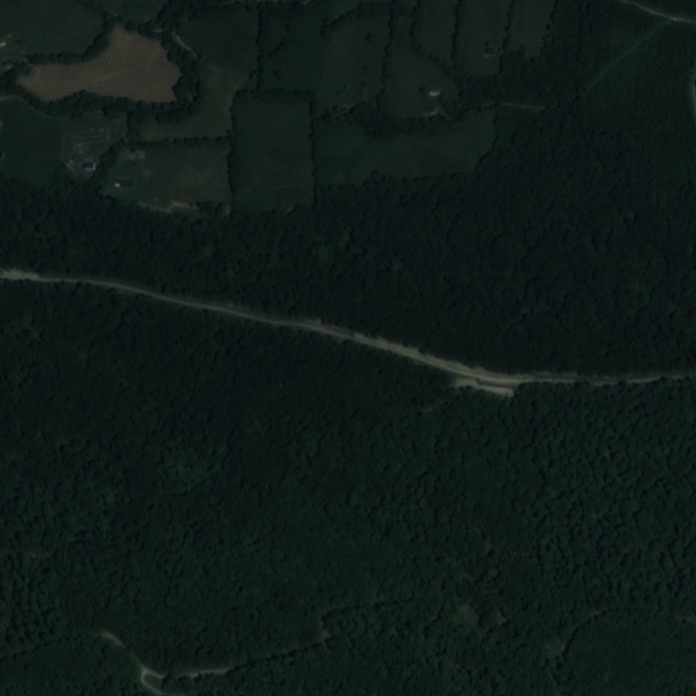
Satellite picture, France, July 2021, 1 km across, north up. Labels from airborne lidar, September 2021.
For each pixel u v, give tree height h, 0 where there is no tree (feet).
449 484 65
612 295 47
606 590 41
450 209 52
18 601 94
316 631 60
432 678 75
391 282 55
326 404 60
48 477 39
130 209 33
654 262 79
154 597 47
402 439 56
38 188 45
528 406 62
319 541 59
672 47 25
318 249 73
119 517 63
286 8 64
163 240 57
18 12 0
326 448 68
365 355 57
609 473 82
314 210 45
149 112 63
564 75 36
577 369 60
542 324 72
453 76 35
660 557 36
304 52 0
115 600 68
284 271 46
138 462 65
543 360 61
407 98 0
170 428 38
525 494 52
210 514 57
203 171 0
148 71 0
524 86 49
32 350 55
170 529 63
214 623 77
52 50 0
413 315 34
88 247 63
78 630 52
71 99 60
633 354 23
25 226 81
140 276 23
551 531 86
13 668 57
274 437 68
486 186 76
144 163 0
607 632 58
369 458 36
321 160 29
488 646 92
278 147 0
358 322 67
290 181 0
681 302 71
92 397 68
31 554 76
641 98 29
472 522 59
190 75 51
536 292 60
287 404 64
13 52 0
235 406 82
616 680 51
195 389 51
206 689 74
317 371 61
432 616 64
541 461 93
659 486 84
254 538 78
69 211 81
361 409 73
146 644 74
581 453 50
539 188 54
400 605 75
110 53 0
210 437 77
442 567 67
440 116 37
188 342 49
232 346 55
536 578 73
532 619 78
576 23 30
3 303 77
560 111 47
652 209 64
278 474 47
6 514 48
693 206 57
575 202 51
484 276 56
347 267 25
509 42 58
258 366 49
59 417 76
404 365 63
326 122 40
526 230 27
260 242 27
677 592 102
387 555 76
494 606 79
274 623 91
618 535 84
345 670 76
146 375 52
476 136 0
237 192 58
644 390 91
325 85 0
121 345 40
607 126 22
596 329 44
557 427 84
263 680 78
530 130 25
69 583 57
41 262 54
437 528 36
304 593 62
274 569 53
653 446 79
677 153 22
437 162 0
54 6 0
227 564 71
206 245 66
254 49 0
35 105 41
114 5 0
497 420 74
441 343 62
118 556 66
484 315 37
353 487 49
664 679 58
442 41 0
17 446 52
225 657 73
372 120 67
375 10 49
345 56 0
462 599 77
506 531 60
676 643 70
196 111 68
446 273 55
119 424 78
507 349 55
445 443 82
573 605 60
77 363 74
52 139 0
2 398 74
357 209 61
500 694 75
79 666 39
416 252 80
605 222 65
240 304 77
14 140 0
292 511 51
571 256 61
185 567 68
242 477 38
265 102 56
